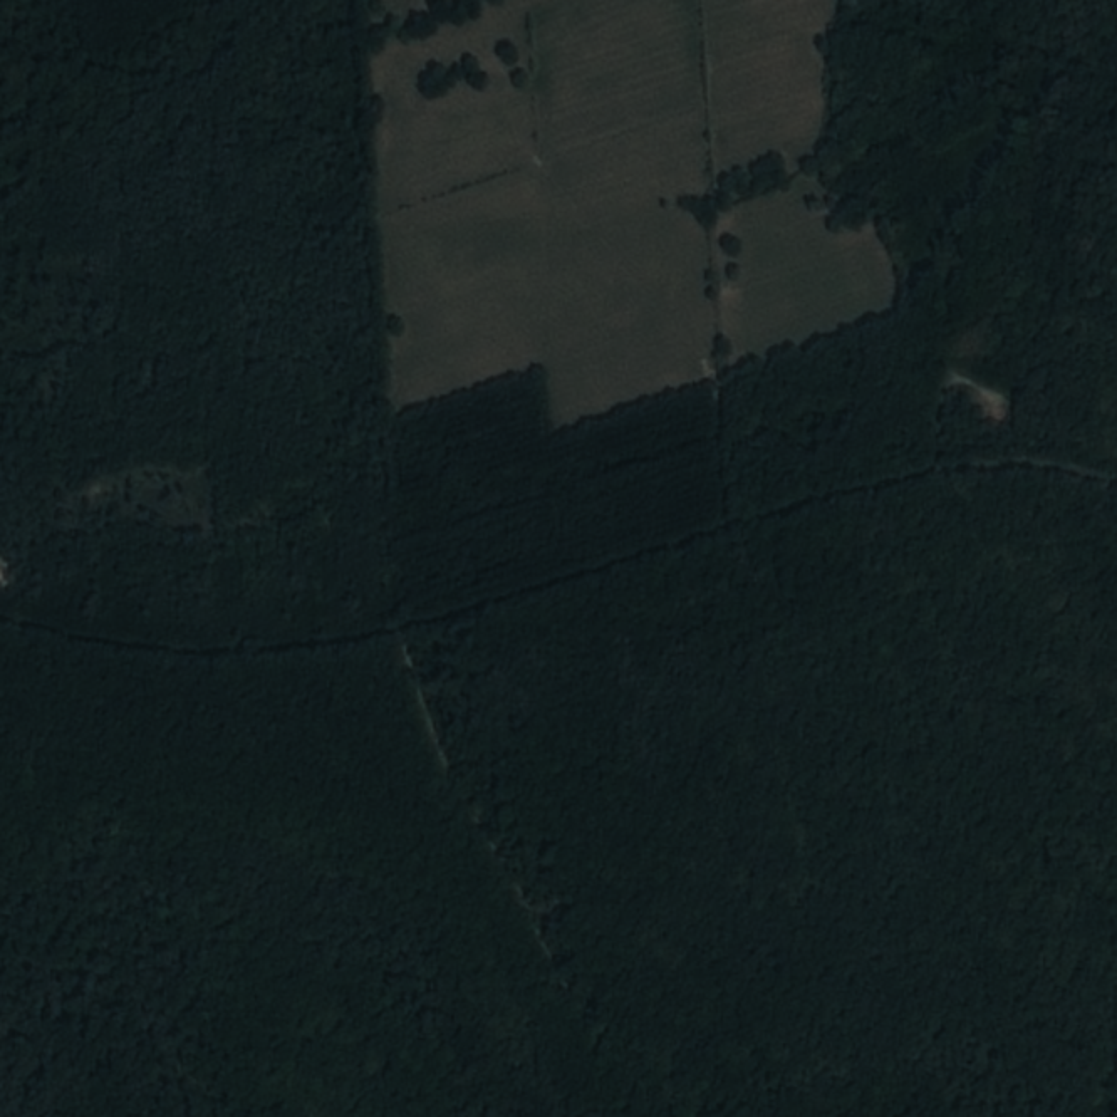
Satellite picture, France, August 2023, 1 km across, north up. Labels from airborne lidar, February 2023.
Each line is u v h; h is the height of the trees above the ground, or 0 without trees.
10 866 21
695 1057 21
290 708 23
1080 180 12
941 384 16
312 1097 19
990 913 17
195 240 19
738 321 0
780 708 18
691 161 0
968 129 27
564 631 22
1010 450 12
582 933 22
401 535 7
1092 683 19
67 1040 24
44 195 20
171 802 23
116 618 8
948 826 23
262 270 19
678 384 0
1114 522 18
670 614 22
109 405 16
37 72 11
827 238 0
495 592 16
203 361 16
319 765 21
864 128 24
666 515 18
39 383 16
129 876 20
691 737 22
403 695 24
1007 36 24
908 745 19
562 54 0
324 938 29
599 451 13
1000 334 18
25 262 16
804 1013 24
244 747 24
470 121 0
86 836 25
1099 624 21
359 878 17
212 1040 22
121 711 25
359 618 10
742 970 22
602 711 23
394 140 0
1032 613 22
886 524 23
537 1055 14
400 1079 23
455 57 0
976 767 19
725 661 20
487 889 24
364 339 20
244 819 15
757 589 23
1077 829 22
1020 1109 23
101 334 18
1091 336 16
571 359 0
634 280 0
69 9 16
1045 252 22
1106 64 13
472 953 21
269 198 20
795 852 20
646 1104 24
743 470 16
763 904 22
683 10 0
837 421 7
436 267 0
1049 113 24
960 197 0
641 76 0
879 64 21
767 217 0
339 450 16
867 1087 20
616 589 24
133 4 23
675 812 23
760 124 0
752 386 18
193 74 13
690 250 0
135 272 20
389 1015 25
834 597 20
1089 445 16
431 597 17
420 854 25
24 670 26
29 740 20
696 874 19
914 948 26
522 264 0
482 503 10
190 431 16
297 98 14
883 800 21
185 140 21
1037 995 22
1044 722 19
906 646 18
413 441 6
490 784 18
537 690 25
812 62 0
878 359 21
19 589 9
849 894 25
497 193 0
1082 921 21
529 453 15
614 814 25
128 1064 22
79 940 24
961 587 15
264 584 10
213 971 20
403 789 26
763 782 22
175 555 15
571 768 20
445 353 0
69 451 16
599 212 0
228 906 21
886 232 16
